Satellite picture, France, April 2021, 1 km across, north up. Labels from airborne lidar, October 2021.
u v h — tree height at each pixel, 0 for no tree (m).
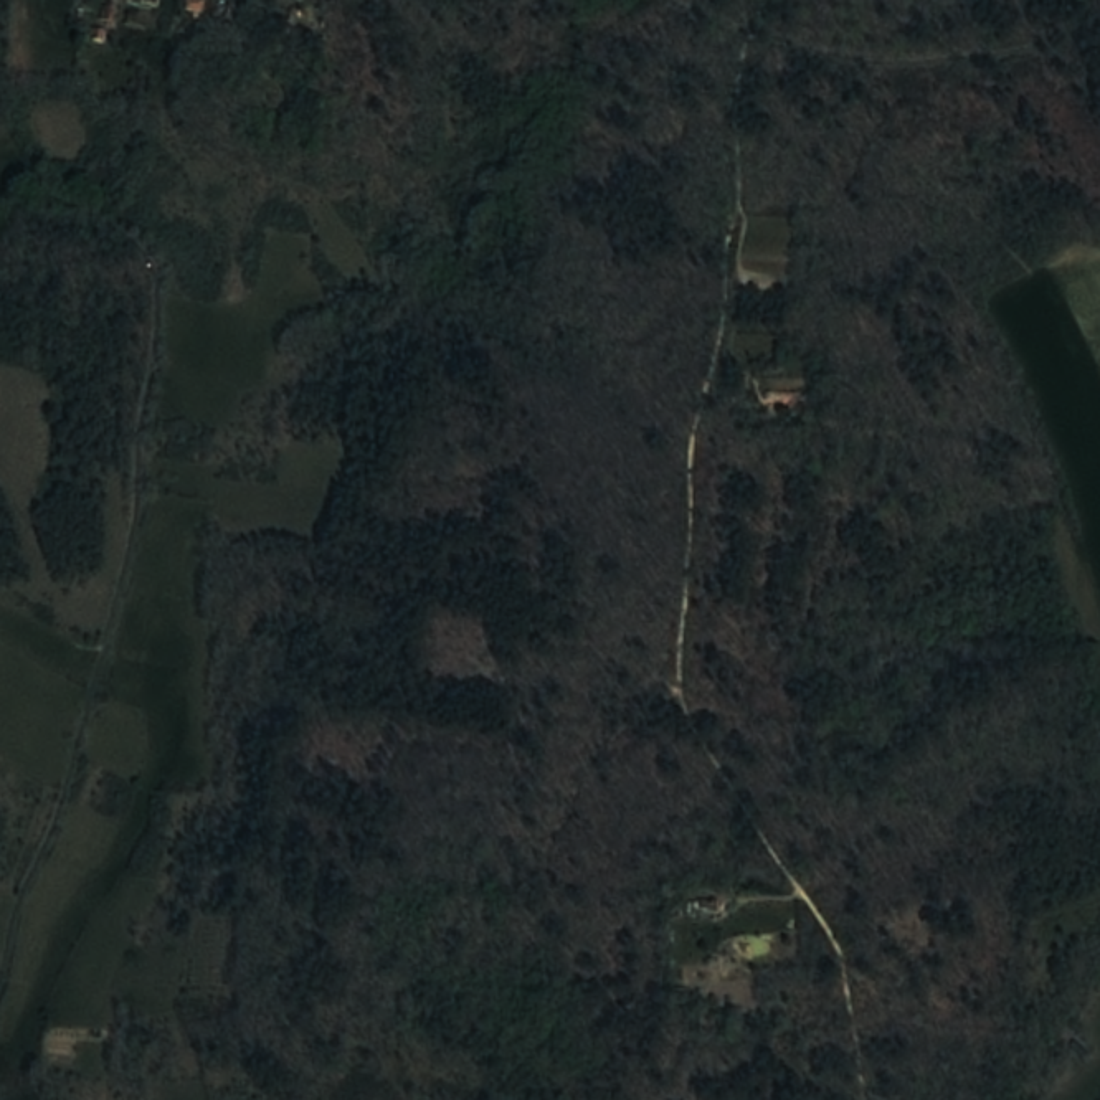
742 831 23
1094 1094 0
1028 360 0
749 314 17
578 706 11
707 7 20
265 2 17
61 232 17
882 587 22
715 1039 19
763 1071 28
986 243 20
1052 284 0
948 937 23
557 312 19
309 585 10
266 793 19
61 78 16
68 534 22
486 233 18
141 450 21
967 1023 15
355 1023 19
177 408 0
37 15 0
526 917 21
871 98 18
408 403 22
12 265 18
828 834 14
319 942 12
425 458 14
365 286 7
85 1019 0
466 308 15
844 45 16
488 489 9
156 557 0
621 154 14
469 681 0
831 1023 7
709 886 12
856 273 19
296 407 7
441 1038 24
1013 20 18
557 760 15
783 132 18
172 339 0
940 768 20
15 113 22
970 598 26
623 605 17
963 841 9
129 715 0
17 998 0
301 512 0
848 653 22
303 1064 17
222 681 11
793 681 13
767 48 25
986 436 19
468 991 22
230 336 0
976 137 9
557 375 14
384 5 18
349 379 14
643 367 12
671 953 17
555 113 24
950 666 19
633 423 12
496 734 22
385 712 23
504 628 24
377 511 12
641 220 27
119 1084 13
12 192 22
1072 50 19
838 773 20
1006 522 18
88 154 6
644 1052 24
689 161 15
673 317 14
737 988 0
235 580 16
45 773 0
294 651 17
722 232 18
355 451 17
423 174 19
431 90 19
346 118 18
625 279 11
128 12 7
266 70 20
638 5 11
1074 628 24
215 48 20
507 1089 21
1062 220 26
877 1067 27
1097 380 0
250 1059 24
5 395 0
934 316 18
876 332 15
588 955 17
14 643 0
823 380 20
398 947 21
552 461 11
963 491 19
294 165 18
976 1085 21
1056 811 24
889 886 11
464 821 19
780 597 25
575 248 18
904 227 20
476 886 18
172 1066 13
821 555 10
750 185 20
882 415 16
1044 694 19
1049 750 18
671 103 18
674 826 19
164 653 0
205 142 19
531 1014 23
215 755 9
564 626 14
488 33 27
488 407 25
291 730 28
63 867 0
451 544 23
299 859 27
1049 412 0
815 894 6
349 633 13
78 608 0
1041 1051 23
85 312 16
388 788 26
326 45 14
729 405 15
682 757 16
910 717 29
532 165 22
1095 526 0
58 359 20
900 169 20
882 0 15
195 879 12
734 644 8
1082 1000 20
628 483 14
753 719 14
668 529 13
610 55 12
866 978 22
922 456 17
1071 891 8
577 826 8
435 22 16
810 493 24
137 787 8
